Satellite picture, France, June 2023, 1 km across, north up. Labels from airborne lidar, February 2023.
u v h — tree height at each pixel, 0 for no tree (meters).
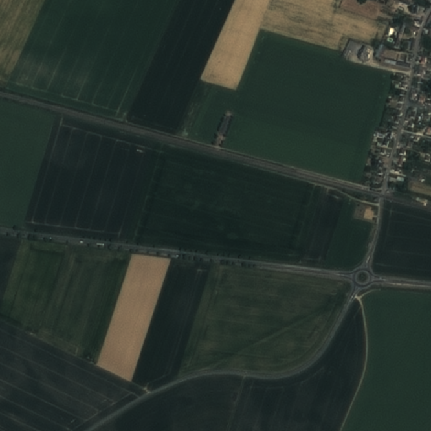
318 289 0
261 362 0
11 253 0
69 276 0
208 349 0
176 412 0
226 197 0
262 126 0
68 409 0
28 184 0
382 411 0
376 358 0
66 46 0
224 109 0
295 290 0
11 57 0
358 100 0
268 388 0
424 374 0
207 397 0
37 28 0
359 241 0
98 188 0
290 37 0
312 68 0
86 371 0
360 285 0
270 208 0
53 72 0
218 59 0
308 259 0
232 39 0
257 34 0
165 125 0
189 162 0
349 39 0
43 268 0
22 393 0
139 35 0
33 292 0
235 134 0
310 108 0
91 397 0
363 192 0
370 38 0
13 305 0
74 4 0
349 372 0
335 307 0
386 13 0
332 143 0
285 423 0
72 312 0
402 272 0
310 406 0
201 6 0
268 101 0
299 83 0
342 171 0
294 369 0
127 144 0
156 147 0
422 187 0
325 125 0
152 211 0
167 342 0
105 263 0
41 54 0
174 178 0
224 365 0
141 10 0
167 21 0
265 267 0
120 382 0
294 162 0
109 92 0
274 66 0
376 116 0
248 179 0
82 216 0
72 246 0
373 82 0
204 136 0
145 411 0
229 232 0
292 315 0
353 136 0
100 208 0
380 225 0
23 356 0
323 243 0
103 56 0
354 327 0
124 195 0
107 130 0
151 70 0
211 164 0
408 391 0
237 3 0
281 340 0
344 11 0
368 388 0
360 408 0
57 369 0
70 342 0
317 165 0
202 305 0
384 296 0
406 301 0
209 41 0
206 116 0
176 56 0
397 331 0
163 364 0
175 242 0
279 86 0
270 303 0
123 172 0
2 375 0
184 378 0
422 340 0
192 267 0
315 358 0
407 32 11
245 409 0
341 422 0
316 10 0
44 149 0
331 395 0
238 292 0
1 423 0
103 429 0
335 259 0
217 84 0
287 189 0
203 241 0
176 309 0
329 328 0
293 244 0
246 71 0
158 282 0
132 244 0
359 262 0
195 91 0
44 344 0
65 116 0
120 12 0
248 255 0
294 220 0
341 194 0
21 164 0
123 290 0
